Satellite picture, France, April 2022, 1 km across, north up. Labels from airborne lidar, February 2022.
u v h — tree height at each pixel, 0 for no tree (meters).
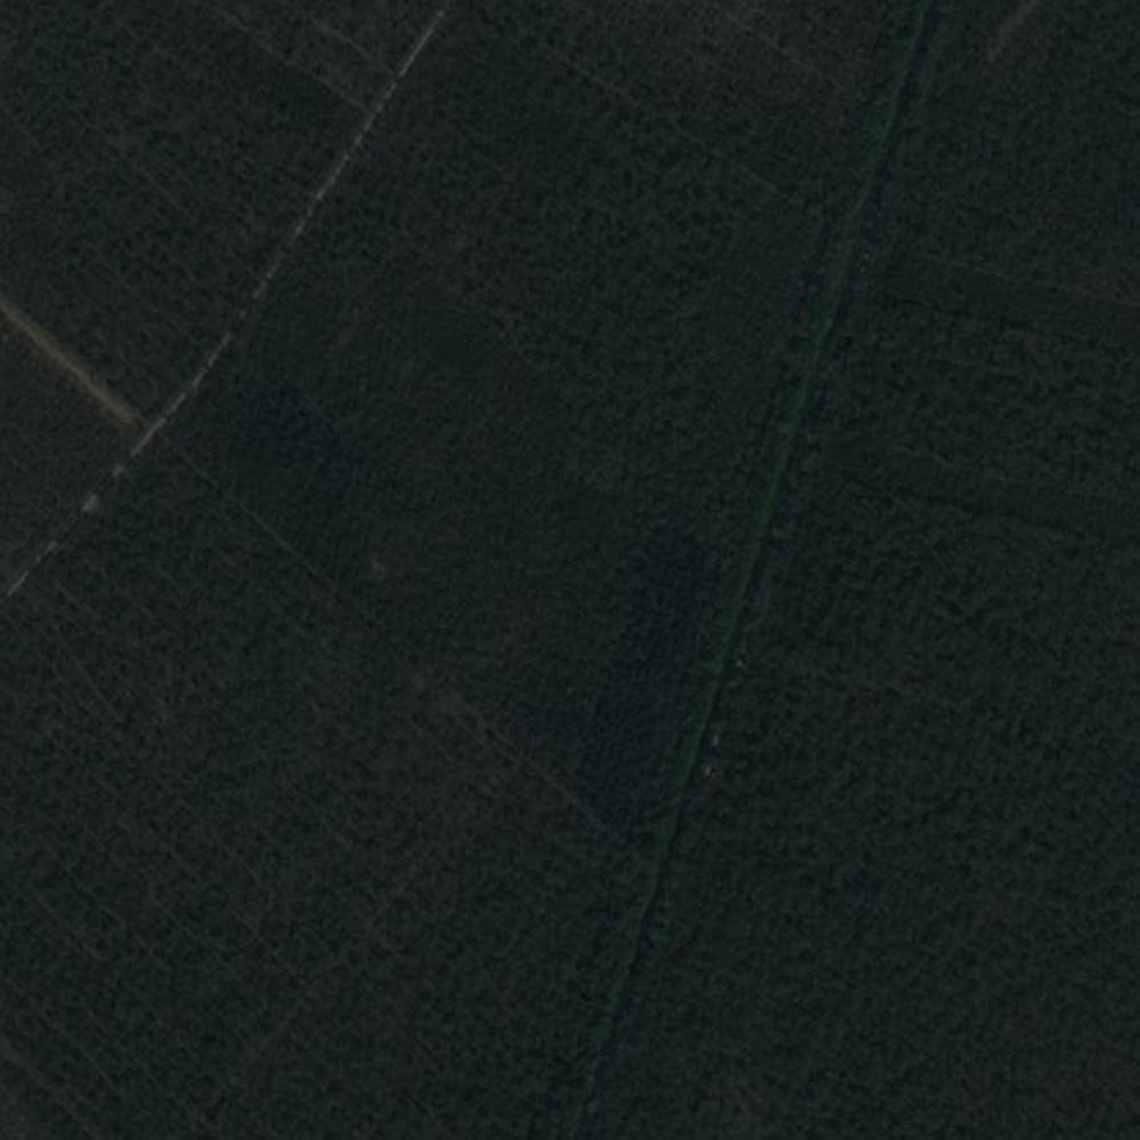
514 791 9
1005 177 16
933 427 16
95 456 6
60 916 18
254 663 18
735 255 8
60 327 11
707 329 8
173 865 12
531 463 10
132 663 13
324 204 7
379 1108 17
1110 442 19
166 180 6
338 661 17
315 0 10
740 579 14
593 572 10
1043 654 20
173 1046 11
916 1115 16
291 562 9
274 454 9
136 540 10
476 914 16
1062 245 15
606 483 15
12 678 14
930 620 17
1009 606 20
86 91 13
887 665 18
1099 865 11
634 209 18
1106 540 15
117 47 13
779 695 15
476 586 8
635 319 16
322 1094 15
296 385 7
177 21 7
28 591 9
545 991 14
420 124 14
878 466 14
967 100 13
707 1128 18
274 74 8
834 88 12
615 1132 18
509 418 7
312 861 17
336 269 9
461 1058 14
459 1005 16
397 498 7
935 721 13
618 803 14
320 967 15
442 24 13
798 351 19
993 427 15
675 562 13
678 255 7
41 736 18
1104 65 19
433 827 9
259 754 16
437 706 14
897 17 14
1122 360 17
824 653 14
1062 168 16
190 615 15
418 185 16
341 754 18
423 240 14
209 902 7
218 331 14
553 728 11
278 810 15
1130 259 16
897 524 20
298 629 18
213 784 11
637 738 12
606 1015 19
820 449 16
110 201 13
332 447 11
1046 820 9
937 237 18
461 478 7
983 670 19
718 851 14
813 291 15
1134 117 18
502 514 9
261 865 16
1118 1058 14
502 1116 10
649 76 11
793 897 19
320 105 10
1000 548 19
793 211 6
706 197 21
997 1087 10
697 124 9
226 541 8
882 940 17
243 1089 10
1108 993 17
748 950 14
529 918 18
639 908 15
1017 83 12
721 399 14
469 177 10
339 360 7
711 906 14
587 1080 18
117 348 14
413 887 16
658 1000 17
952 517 17
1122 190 17
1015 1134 16
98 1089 15
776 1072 18
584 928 17
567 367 11
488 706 10
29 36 10
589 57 15
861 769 13
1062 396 10
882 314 16
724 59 7
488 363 6
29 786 15
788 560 15
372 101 14
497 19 11
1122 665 17
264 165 11
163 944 14
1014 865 16
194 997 12
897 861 8
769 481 13
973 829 13
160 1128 14
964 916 17
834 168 10
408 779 17
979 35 10
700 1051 18
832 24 10
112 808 10
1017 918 8
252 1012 16
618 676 13
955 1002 14
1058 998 18
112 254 13
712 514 12
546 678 10
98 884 13
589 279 16
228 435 10
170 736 11
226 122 15
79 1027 16
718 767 15
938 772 20
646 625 10
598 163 13
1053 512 7
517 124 8
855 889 17
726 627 15
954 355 17
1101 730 16
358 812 16
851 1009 16
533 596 10
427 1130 17
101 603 13
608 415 13
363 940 14
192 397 11
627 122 17
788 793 18
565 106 10
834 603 16
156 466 7
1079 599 17
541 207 15
